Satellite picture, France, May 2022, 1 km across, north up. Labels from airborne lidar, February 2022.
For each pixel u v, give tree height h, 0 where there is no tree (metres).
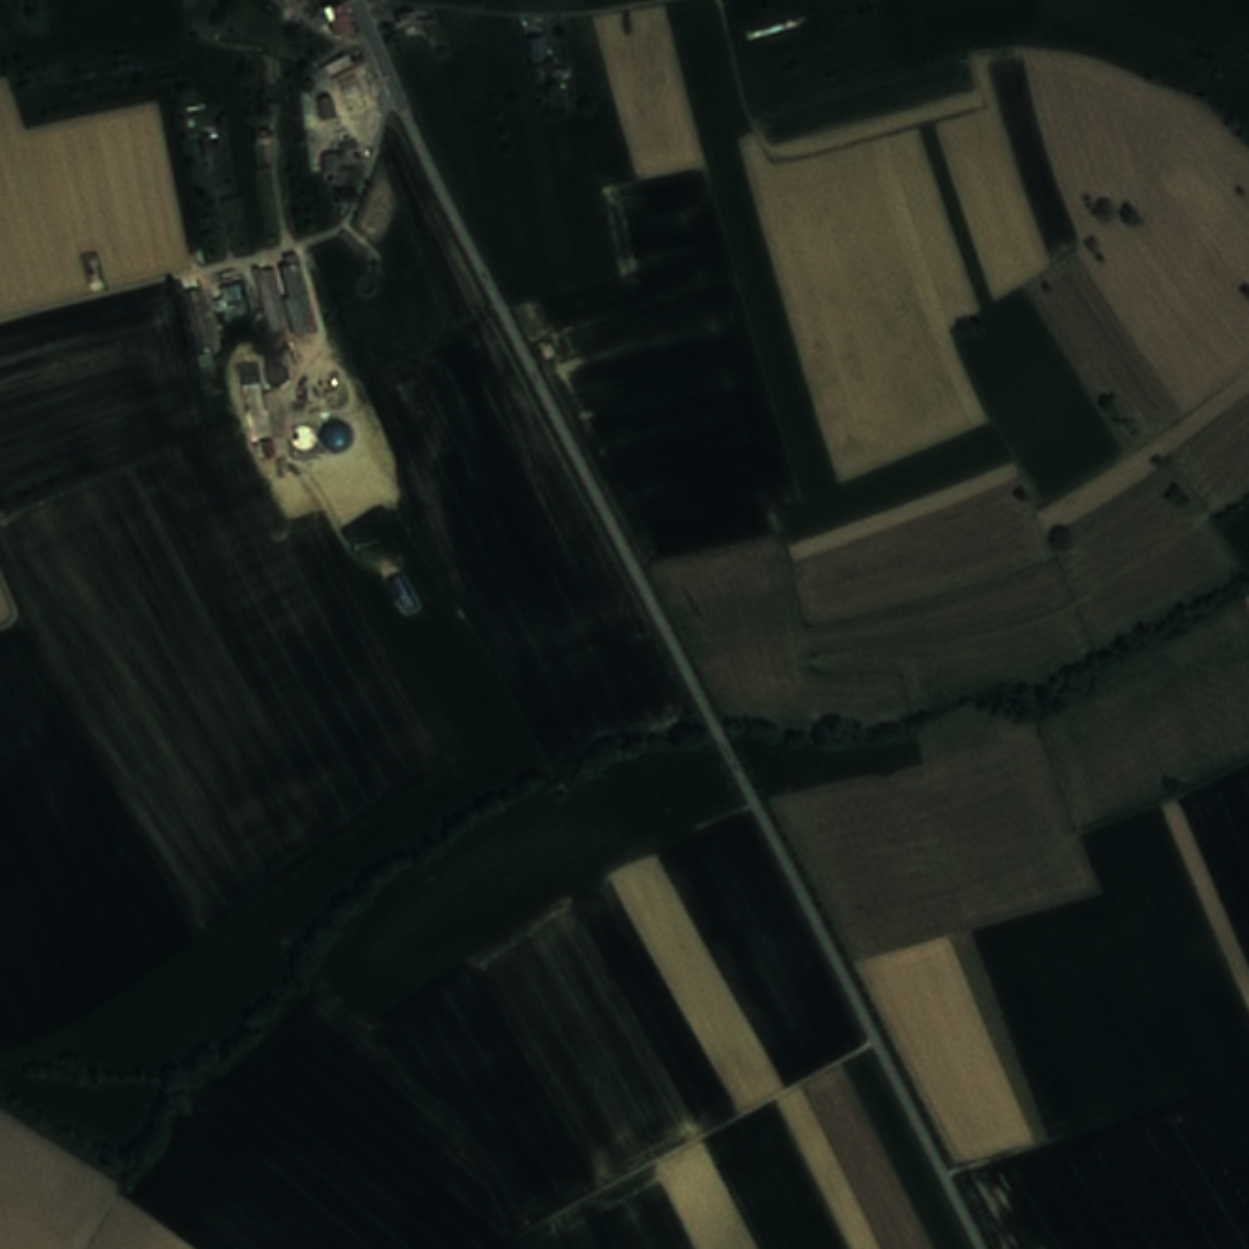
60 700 0
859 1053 0
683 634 0
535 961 0
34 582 0
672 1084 0
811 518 0
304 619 0
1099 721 0
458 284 0
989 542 0
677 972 0
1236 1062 0
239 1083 0
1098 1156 0
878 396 0
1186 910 0
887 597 0
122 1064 0
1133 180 0
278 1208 0
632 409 0
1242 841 0
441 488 0
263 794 0
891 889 0
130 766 0
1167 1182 0
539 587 0
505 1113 0
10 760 0
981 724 0
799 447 0
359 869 0
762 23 0
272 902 0
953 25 0
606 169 0
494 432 0
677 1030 0
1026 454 0
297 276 0
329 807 0
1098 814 0
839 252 0
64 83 0
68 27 0
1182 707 0
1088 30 0
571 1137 0
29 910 0
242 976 0
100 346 0
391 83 0
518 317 0
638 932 0
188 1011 0
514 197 0
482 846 0
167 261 0
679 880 0
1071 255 0
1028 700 15
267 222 0
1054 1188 0
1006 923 0
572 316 0
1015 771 0
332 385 0
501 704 0
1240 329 0
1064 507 0
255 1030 16
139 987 0
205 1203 0
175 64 0
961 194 0
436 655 0
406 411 0
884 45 0
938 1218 0
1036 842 0
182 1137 0
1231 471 0
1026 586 0
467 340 0
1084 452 0
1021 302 0
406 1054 0
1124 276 0
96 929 0
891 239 0
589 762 11
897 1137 0
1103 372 0
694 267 0
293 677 0
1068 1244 0
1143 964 0
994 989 0
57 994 0
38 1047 0
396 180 0
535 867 0
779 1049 0
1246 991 0
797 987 0
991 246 0
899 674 0
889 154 0
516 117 0
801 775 0
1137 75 0
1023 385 0
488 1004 0
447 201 0
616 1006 0
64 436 0
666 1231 0
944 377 0
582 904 0
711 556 0
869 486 0
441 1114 0
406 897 0
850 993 0
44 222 0
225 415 0
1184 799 0
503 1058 0
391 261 0
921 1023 0
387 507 0
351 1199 0
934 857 0
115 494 0
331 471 0
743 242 0
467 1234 0
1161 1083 0
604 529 0
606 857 0
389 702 0
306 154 0
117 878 0
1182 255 0
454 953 0
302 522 0
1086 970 0
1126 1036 0
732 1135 0
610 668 0
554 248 0
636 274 0
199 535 0
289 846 0
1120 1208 0
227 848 0
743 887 0
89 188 0
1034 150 0
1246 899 0
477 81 0
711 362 0
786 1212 0
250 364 0
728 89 0
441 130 0
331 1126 0
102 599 0
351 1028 0
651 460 0
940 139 0
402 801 0
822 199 0
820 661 0
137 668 0
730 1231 0
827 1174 0
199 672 0
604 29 0
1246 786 0
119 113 0
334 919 17
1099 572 0
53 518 0
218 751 0
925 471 0
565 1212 0
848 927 0
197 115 0
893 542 0
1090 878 0
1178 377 0
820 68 0
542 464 0
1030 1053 0
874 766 0
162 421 0
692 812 0
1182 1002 0
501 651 0
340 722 0
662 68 0
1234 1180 0
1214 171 0
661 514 0
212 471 0
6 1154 0
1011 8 0
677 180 0
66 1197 0
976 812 0
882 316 0
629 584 0
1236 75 0
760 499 0
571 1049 0
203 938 0
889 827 0
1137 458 0
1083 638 0
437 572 0
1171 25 0
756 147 0
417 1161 0
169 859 0
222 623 0
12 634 0
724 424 0
